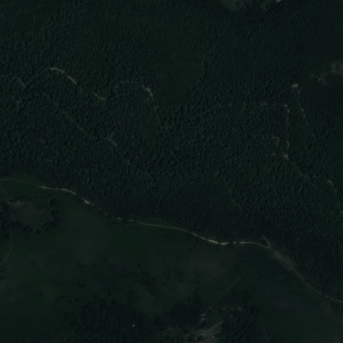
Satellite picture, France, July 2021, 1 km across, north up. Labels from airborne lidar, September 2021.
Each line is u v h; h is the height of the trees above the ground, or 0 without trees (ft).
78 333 52
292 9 86
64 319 42
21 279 0
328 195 62
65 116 64
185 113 91
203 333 0
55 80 71
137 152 76
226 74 67
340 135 57
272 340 39
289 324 0
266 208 76
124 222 46
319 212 65
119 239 0
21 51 89
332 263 68
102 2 35
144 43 79
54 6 62
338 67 21
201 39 54
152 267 0
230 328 62
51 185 46
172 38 57
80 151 43
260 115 59
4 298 0
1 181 0
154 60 64
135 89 71
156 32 48
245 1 28
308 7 61
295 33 72
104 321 44
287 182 74
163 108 70
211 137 77
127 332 77
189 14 74
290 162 70
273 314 0
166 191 63
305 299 0
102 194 77
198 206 55
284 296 0
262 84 68
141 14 68
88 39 60
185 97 77
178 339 41
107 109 55
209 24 46
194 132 83
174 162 71
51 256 0
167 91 62
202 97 80
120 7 61
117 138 55
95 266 40
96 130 56
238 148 62
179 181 82
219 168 58
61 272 0
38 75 69
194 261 0
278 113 73
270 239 39
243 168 55
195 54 55
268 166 73
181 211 37
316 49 48
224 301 25
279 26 80
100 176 64
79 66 73
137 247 0
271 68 87
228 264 0
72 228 0
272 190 85
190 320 41
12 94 67
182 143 67
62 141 51
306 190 86
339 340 0
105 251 0
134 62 82
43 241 0
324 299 0
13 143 105
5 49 109
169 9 78
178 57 49
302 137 43
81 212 0
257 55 78
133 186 89
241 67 74
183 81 57
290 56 64
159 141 73
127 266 0
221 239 32
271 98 63
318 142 66
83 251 0
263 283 0
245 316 65
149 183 99
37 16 51
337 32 50
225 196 56
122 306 33
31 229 72
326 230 79
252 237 43
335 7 50
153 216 39
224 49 68
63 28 64
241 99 43
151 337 43
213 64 70
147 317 25
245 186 85
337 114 90
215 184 69
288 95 52
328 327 0
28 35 87
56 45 69
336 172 64
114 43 60
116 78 67
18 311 0
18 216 0
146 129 81
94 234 0
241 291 22
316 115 80
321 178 49
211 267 0
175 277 23
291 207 77
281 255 0
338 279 22
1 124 53
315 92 54
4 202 38
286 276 0
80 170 67
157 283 0
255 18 67
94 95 38
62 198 0
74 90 39
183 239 0
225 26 70
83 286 43
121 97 58
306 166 81
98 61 68
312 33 69
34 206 0
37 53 76
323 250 58
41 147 69
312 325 0
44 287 0
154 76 45
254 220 66
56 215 91
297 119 61
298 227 79
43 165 44
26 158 63
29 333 0
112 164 60
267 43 69
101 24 54
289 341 0
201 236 31
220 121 51
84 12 64
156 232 0
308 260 43
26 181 0
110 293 35
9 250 0
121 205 69
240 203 67
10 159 78
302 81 52
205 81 91
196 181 75
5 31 56
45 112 52
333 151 73
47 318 0
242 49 79
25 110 93
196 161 86
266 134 72
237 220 42
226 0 0
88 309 50
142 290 0
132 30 84
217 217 60
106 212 30
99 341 72
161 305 0
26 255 0
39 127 70
